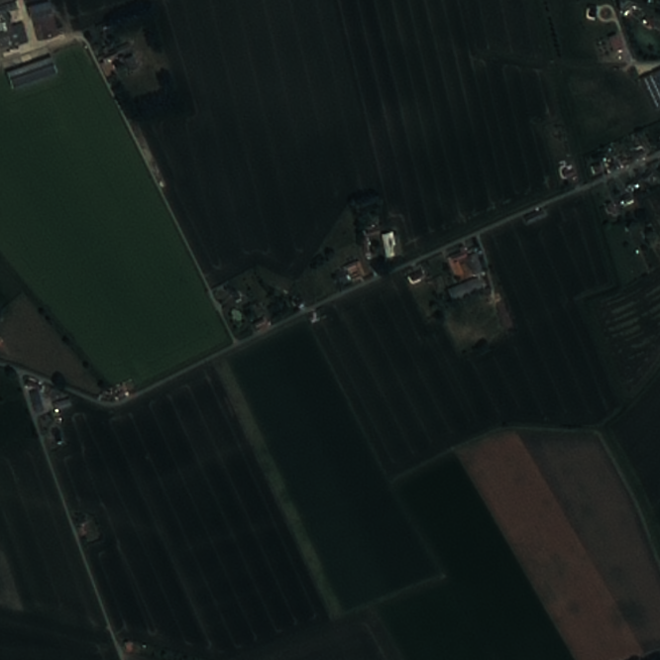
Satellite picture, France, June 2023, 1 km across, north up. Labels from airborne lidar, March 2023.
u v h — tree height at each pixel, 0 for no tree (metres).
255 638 0
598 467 0
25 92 0
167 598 0
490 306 0
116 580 0
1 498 0
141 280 0
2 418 0
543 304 0
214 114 0
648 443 0
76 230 0
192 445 0
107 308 0
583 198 0
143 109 32
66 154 0
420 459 0
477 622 0
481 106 0
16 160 0
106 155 0
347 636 0
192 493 0
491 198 0
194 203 0
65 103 0
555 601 0
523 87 0
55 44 0
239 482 0
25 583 0
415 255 0
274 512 0
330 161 0
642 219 9
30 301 0
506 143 0
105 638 0
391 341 0
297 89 0
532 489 0
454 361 0
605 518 0
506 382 0
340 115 0
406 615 0
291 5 0
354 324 0
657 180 0
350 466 0
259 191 0
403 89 0
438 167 0
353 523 0
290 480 0
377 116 0
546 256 0
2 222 0
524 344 0
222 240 0
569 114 0
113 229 0
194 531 0
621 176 0
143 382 0
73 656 0
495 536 0
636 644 0
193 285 0
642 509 0
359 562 0
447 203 0
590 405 0
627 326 0
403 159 0
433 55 0
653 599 0
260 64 0
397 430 0
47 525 0
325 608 0
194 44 0
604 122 0
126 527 0
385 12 0
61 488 0
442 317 18
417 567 0
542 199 0
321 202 0
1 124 0
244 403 0
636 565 0
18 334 0
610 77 0
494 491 0
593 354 0
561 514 0
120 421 0
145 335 0
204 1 0
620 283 0
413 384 0
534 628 0
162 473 0
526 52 0
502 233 0
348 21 0
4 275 0
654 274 0
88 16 0
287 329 0
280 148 0
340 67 0
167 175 0
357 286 0
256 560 0
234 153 0
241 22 0
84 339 0
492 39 0
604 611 0
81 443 0
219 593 0
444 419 0
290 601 0
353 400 0
